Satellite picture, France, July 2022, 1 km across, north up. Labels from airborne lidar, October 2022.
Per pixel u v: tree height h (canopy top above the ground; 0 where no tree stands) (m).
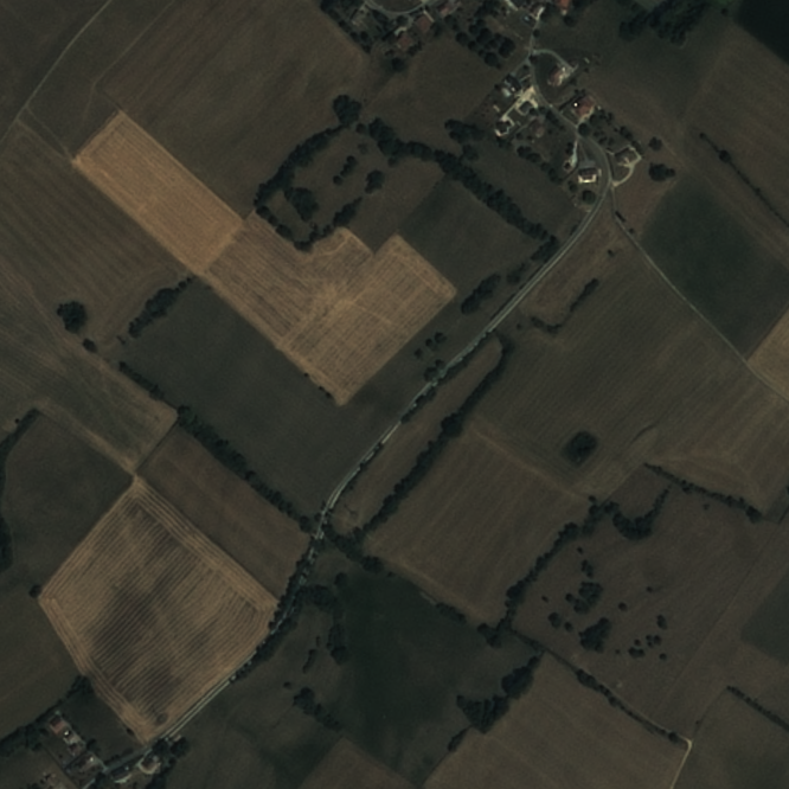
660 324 0
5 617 0
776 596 0
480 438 0
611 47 0
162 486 0
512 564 0
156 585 0
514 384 0
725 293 0
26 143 0
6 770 0
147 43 0
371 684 0
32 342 0
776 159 0
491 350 0
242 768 0
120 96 0
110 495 0
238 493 0
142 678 0
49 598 0
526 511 0
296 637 0
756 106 0
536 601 0
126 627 0
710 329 0
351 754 0
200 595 0
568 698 0
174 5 0
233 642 0
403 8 0
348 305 0
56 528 0
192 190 0
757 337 0
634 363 0
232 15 0
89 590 0
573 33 0
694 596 0
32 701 0
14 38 0
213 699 0
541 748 0
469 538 0
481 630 8
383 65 0
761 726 0
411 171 0
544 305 0
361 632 0
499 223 0
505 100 0
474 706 7
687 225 0
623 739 0
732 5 0
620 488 0
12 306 0
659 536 0
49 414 0
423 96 0
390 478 0
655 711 0
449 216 0
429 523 0
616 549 0
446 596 0
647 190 0
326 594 22
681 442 0
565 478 0
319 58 0
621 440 0
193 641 0
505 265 0
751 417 0
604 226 0
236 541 0
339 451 0
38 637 0
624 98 0
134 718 0
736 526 0
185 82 0
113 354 0
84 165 0
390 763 0
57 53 0
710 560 0
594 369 0
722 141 0
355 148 0
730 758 0
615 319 0
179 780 0
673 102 0
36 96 0
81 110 0
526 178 0
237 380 0
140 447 0
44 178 0
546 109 7
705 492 11
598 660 0
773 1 0
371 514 0
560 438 0
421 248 0
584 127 10
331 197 0
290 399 0
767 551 0
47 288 0
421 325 0
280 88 0
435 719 0
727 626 0
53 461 0
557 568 0
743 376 0
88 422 0
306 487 0
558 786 0
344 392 0
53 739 0
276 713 0
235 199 0
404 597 0
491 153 0
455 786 0
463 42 15
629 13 0
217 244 0
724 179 0
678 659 0
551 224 0
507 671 0
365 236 0
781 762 0
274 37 0
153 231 0
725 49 0
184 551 0
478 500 0
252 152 0
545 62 0
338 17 20
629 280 0
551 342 0
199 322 0
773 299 0
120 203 0
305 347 0
